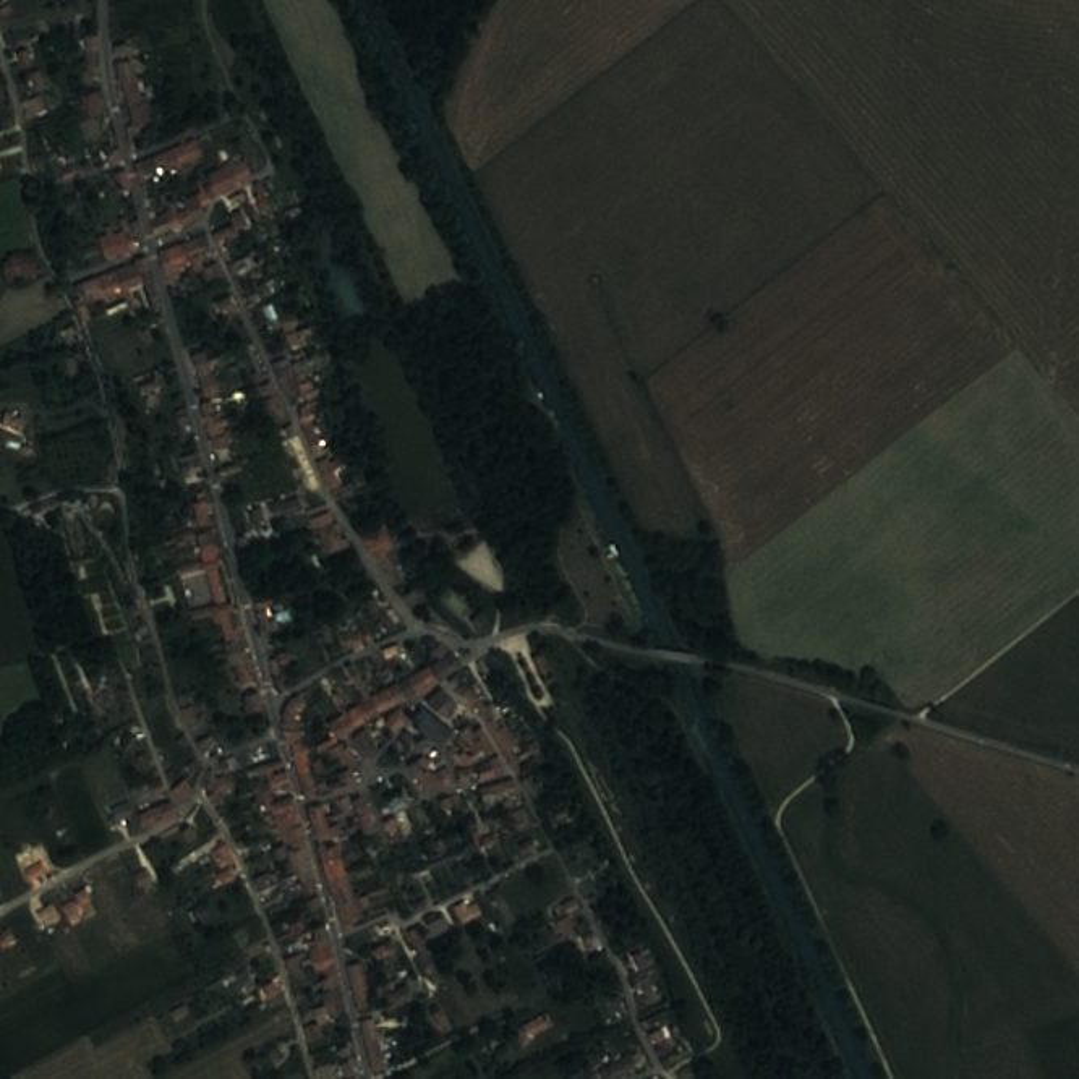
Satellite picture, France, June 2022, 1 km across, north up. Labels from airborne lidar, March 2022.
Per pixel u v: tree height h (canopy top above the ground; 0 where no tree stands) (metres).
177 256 0
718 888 7
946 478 0
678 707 0
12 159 0
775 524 0
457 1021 0
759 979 7
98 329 0
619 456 0
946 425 0
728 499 0
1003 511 0
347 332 13
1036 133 0
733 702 0
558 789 9
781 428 0
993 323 0
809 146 0
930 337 0
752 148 0
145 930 0
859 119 0
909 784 0
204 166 0
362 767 0
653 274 0
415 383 13
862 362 0
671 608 6
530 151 0
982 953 0
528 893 0
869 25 0
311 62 0
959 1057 0
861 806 0
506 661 14
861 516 0
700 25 0
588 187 0
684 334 0
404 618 0
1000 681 0
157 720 0
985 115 0
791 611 0
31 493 11
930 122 0
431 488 0
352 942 0
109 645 14
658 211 0
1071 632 0
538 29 0
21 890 0
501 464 33
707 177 0
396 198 0
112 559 0
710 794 28
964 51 0
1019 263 0
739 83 0
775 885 0
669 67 0
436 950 18
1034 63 0
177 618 8
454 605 0
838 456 0
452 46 29
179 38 0
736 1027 8
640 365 0
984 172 0
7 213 0
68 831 0
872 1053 0
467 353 31
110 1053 0
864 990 0
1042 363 0
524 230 0
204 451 0
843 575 0
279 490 0
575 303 0
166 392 0
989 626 0
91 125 0
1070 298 0
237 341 17
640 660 0
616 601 0
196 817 0
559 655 0
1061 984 0
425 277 0
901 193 0
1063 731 0
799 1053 8
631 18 0
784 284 0
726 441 0
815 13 0
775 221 0
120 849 0
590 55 0
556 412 0
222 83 0
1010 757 0
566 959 12
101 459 0
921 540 0
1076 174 0
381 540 0
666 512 0
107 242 0
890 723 0
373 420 11
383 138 0
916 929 0
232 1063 0
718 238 0
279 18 0
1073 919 0
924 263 0
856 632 0
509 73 0
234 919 0
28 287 0
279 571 19
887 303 0
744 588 0
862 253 0
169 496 12
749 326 0
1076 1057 0
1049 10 0
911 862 0
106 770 0
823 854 0
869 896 0
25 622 0
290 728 0
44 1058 0
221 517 0
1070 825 0
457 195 0
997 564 0
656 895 0
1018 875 0
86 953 0
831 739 0
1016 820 0
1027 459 0
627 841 0
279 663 0
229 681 0
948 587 0
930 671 0
